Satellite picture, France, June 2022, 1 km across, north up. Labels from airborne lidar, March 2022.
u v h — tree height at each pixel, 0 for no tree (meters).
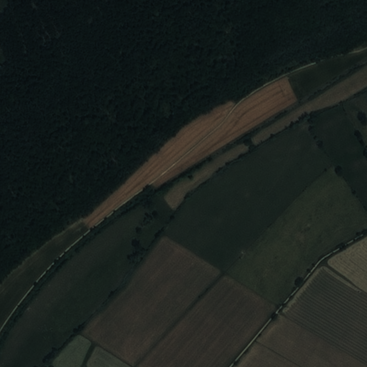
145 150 23
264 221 0
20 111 15
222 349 0
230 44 19
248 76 18
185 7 19
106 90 19
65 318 0
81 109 14
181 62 17
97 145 10
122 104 19
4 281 0
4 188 13
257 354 0
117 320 0
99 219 0
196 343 0
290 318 0
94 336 0
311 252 0
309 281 0
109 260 0
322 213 0
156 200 0
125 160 14
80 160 14
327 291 0
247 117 0
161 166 0
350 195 0
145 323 0
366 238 0
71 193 15
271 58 16
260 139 0
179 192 0
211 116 0
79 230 0
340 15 18
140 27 19
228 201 0
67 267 0
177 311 0
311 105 0
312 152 0
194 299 0
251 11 17
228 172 0
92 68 16
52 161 16
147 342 0
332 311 0
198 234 0
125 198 0
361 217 0
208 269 0
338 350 0
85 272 0
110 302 0
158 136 21
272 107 0
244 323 0
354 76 0
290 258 0
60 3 13
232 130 0
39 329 0
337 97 0
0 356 0
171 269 0
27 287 0
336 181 0
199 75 16
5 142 18
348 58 0
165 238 0
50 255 0
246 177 0
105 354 0
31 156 16
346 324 0
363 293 0
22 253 22
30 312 0
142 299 0
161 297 0
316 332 0
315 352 0
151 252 0
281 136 0
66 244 0
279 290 0
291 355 0
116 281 0
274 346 0
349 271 0
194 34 15
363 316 0
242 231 0
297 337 0
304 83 0
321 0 16
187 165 0
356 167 0
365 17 20
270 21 18
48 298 0
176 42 15
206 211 0
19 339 0
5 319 0
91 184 16
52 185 20
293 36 16
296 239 0
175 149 0
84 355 0
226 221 0
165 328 0
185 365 0
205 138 0
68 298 0
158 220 0
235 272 0
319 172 0
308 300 0
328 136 0
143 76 16
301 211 0
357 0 15
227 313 0
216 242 0
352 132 0
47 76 15
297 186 0
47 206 15
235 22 19
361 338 0
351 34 20
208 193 0
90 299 0
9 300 0
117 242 0
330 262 0
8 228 19
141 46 20
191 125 0
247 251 0
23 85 15
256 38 18
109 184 19
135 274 0
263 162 0
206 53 11
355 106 0
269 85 0
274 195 0
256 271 0
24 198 19
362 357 0
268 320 0
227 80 18
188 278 0
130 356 0
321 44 20
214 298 0
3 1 0
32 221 13
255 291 0
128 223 0
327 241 0
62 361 0
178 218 0
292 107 0
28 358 0
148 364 0
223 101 13
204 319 0
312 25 14
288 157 0
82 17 9
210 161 10
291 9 15
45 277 7
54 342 0
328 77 0
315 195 0
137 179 0
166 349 0
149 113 23
